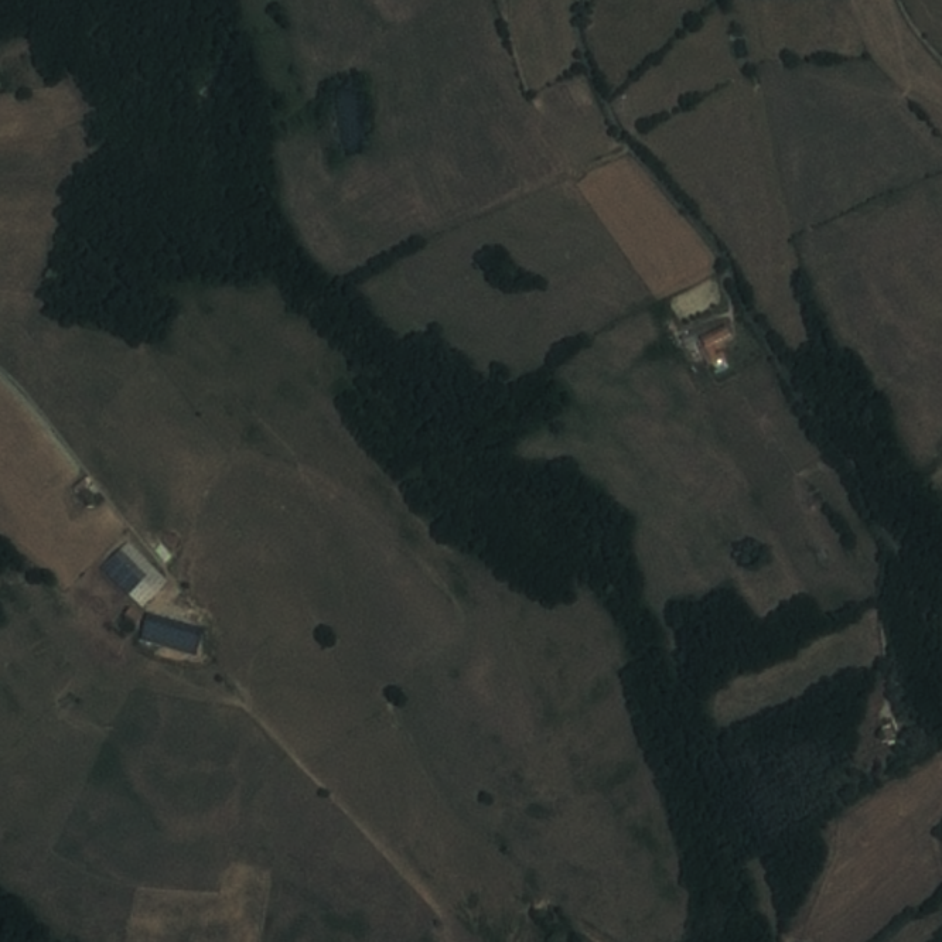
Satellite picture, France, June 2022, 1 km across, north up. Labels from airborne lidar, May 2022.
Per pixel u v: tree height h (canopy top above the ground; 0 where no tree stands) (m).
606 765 0
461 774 0
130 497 0
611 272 0
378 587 0
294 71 7
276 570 0
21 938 22
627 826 0
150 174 16
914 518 25
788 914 15
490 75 0
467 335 0
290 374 0
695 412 0
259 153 22
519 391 16
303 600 0
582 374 0
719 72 0
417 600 0
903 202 0
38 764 0
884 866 0
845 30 0
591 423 0
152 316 23
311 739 0
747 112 0
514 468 18
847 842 0
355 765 0
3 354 0
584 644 0
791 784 18
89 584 0
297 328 0
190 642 0
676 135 0
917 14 0
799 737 17
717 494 0
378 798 0
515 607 0
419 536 0
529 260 0
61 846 0
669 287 0
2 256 0
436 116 0
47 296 19
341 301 20
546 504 17
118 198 24
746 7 0
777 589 0
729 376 0
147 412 0
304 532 0
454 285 0
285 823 0
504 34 12
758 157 0
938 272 0
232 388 0
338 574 0
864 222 0
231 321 0
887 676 11
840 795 15
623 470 0
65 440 0
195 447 0
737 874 20
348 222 0
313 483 0
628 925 0
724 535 0
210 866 0
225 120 26
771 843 19
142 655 0
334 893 0
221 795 0
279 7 12
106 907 0
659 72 0
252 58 25
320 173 0
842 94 0
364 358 18
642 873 0
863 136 0
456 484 13
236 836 0
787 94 0
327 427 0
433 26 0
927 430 0
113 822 0
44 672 0
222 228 16
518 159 0
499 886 0
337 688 0
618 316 0
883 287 0
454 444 22
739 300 13
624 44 0
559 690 0
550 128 0
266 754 0
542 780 0
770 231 0
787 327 0
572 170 0
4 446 0
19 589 0
